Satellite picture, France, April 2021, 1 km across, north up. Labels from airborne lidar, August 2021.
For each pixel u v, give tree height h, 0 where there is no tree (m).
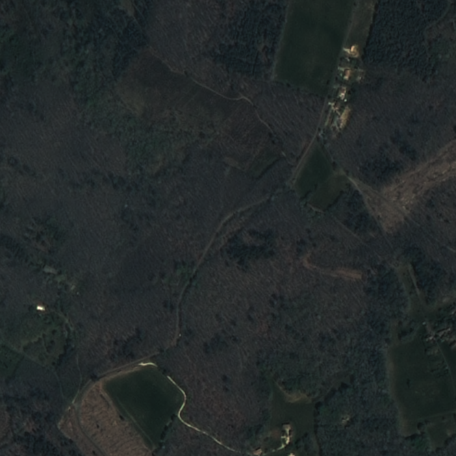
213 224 12
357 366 20
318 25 0
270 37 18
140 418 0
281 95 11
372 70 14
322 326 17
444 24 8
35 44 10
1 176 14
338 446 18
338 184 0
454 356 0
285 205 18
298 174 0
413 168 11
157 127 16
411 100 15
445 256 17
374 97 15
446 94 13
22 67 7
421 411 0
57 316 7
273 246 14
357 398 19
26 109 19
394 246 17
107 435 0
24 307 13
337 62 0
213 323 17
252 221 13
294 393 23
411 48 17
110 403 0
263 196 13
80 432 0
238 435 9
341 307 15
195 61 10
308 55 0
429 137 13
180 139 20
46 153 18
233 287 17
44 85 18
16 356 7
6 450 16
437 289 28
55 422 19
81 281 11
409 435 0
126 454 0
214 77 6
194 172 16
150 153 19
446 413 0
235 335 23
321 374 20
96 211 16
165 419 0
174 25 11
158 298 16
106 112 18
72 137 16
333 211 21
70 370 14
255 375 15
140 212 12
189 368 10
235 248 18
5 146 15
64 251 16
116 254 17
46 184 18
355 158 18
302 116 12
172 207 18
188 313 16
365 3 0
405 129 17
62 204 17
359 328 16
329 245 6
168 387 0
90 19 11
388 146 13
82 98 22
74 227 22
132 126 20
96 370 15
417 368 0
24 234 16
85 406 0
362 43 0
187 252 6
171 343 14
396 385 0
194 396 7
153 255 9
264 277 13
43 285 20
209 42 7
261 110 13
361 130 17
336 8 0
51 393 15
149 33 16
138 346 14
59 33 17
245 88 10
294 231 14
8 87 21
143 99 0
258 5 16
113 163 17
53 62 21
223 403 9
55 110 20
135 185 18
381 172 15
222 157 11
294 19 0
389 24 18
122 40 15
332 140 16
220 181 15
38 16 18
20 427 14
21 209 16
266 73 17
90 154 16
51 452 20
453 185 12
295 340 16
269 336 12
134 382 0
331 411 21
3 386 15
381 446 19
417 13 15
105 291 12
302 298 14
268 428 7
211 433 11
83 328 15
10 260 23
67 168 16
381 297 21
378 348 18
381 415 22
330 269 0
